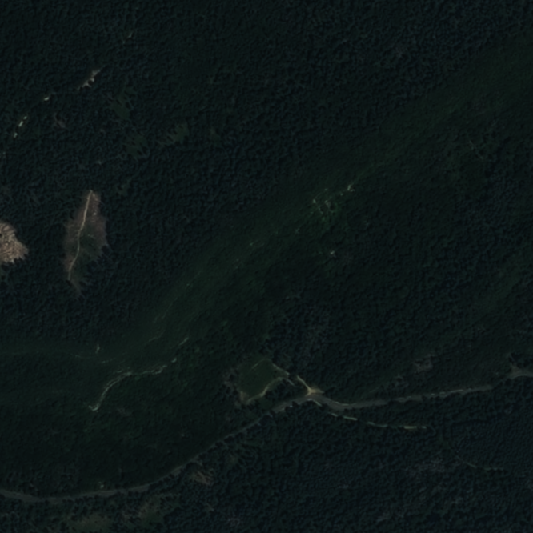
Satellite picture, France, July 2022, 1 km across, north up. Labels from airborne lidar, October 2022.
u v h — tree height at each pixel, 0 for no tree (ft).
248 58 37
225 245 26
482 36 58
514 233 50
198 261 21
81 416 41
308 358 76
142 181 30
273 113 60
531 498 87
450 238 61
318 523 108
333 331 99
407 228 72
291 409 39
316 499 83
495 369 39
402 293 80
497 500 103
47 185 52
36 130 59
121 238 51
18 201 52
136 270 46
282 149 61
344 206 48
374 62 45
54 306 51
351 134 48
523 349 24
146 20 53
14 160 29
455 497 97
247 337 81
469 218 90
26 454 75
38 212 33
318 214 52
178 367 40
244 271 43
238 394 78
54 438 56
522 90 43
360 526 90
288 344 104
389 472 79
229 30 42
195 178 55
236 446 83
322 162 39
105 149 61
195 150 42
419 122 51
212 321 64
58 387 18
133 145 27
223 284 22
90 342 23
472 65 45
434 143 73
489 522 118
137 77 43
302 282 87
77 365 31
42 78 58
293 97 60
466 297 68
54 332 47
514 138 79
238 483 84
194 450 77
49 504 60
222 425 65
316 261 83
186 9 28
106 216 45
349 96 33
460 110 83
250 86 51
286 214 34
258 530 31
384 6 42
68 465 68
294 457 87
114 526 47
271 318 45
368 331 33
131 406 43
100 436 53
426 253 40
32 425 47
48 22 37
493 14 31
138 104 40
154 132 32
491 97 52
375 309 35
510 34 41
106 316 51
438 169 80
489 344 44
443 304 56
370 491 75
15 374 51
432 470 75
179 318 23
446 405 87
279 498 82
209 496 116
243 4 38
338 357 81
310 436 70
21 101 38
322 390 34
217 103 39
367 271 86
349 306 81
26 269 62
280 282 52
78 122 51
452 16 83
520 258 50
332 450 86
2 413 52
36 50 57
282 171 53
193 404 60
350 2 19
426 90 41
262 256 36
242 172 70
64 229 55
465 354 51
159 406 50
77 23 49
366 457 92
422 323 69
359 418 52
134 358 24
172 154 67
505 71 42
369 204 60
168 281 25
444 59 72
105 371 29
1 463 66
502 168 97
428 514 27
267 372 0
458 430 101
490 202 109
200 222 34
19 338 30
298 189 33
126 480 84
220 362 65
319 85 31
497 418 102
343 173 21
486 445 103
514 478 76
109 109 33
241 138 76
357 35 49
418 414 65
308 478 104
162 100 50
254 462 92
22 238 55
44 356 29
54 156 58
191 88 24
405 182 31
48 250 46
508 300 54
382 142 67
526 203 103
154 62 64
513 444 105
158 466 79
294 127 49
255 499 35
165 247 60
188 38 45
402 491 27
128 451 69
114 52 52
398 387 77
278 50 29
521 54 32
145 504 89
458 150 43
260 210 35
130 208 39
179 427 78
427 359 69
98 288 58
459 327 26
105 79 72
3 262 0
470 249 90
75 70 52
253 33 32
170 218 64
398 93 27
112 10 22
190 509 94
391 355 27
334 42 53
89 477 57
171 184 63
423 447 75
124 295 65
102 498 56
